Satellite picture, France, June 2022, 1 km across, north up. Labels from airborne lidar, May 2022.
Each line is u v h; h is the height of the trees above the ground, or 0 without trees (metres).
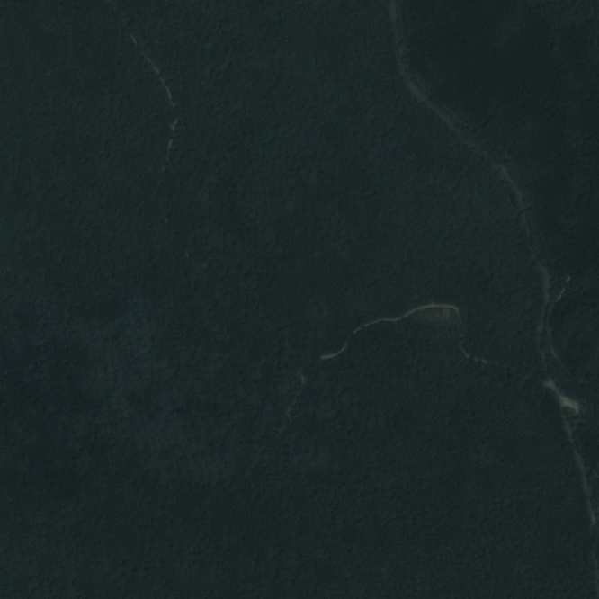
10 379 25
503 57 20
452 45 16
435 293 18
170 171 14
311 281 8
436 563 19
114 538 16
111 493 21
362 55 16
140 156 11
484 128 15
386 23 8
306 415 21
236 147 24
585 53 8
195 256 18
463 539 20
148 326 28
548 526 19
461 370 7
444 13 12
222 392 19
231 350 19
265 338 18
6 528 25
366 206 18
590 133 17
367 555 19
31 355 31
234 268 20
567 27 16
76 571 21
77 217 18
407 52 8
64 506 16
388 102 17
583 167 18
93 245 15
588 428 20
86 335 27
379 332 11
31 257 20
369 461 13
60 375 35
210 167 28
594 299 17
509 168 16
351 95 28
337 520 21
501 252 13
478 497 8
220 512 21
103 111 17
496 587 18
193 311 20
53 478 26
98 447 24
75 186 12
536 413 8
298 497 17
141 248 9
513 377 18
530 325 8
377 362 9
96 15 6
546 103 19
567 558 19
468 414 21
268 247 12
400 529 13
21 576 28
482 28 19
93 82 24
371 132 13
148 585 28
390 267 11
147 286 13
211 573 23
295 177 15
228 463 30
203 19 13
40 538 20
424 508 20
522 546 22
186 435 20
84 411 9
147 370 24
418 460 19
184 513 20
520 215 16
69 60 18
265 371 28
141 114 9
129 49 12
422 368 6
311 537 19
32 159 20
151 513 20
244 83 16
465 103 13
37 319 29
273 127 10
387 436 9
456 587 21
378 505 15
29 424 32
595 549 15
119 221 6
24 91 11
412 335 9
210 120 7
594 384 6
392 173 13
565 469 14
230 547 20
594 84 16
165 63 14
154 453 18
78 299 21
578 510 20
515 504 19
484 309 6
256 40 7
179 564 15
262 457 26
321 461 30
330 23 20
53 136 15
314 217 9
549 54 16
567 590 16
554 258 15
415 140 29
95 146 13
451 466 10
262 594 18
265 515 16
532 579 16
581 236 16
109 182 10
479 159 16
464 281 8
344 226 11
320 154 13
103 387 24
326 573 16
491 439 9
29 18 20
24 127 17
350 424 29
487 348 5
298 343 11
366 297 9
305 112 8
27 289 19
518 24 9
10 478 30
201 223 10
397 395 6
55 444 23
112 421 26
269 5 22
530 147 11
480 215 19
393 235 6
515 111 15
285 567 27
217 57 15
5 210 17
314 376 21
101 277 21
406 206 13
